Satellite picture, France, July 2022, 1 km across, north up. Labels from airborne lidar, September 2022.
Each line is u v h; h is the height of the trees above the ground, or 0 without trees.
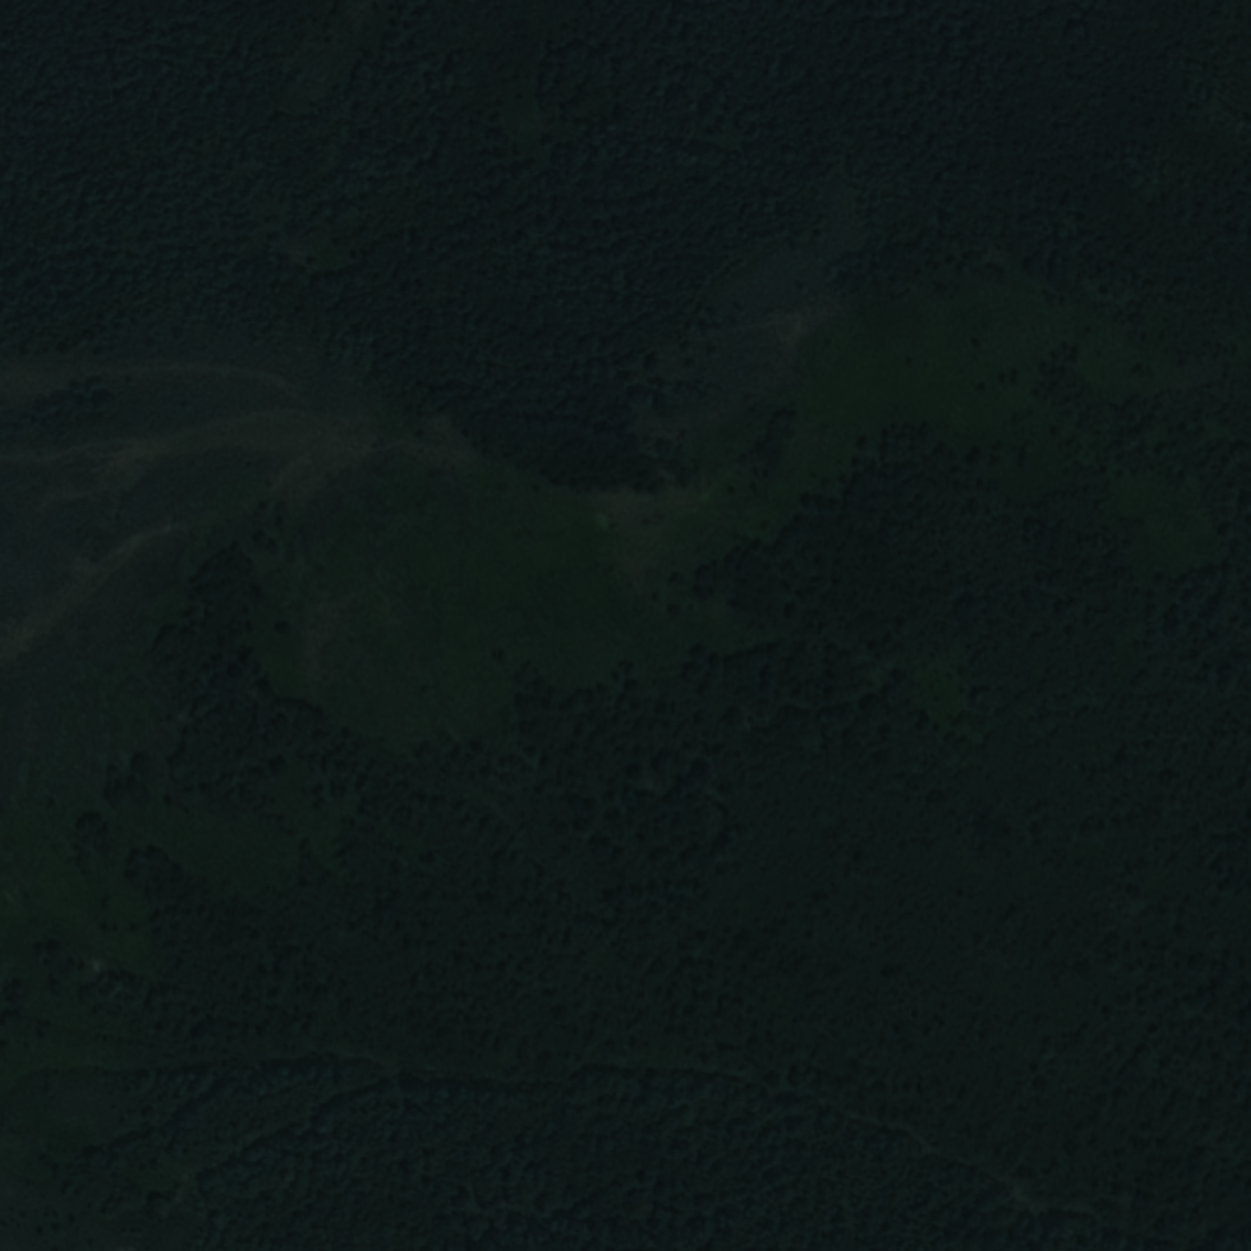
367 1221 18
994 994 6
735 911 11
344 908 9
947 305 0
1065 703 7
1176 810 18
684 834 18
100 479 0
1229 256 20
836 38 16
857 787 8
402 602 0
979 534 13
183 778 18
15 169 15
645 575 0
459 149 20
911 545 11
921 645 8
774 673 18
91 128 16
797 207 11
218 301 7
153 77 16
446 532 0
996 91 19
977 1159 11
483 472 0
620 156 13
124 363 0
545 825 9
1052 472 0
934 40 18
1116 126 20
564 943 16
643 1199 25
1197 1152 13
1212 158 19
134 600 0
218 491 0
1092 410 7
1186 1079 22
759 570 18
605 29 17
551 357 14
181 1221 0
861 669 6
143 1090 10
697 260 18
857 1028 9
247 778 20
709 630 0
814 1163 17
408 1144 24
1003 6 20
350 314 23
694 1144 21
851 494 16
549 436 17
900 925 8
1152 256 18
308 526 0
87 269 15
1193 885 8
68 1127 0
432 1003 11
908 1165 13
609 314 16
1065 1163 10
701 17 18
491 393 15
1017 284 0
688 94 20
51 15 15
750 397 6
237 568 21
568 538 0
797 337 0
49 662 0
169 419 0
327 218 8
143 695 0
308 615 0
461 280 17
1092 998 8
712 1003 23
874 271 9
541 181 18
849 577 13
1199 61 19
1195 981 9
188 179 8
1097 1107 16
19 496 0
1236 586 16
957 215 18
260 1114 22
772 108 15
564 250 22
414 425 0
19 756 0
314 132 13
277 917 6
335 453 0
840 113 17
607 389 16
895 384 0
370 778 13
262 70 12
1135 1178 10
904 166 13
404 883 17
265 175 8
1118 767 15
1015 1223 11
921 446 17
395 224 17
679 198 16
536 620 0
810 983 9
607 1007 16
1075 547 22
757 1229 12
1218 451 7
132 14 18
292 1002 9
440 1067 7
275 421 0
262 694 9
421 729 0
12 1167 0
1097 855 10
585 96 23
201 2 15
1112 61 20
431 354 13
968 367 0
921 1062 12
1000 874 9
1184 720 10
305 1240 18
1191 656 7
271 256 11
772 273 0
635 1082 15
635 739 19
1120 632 8
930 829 13
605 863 23
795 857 7
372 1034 10
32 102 17
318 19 15
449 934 9
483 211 18
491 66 18
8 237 11
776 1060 20
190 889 12
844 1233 21
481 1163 20
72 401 10
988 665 6
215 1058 6
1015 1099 15
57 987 14
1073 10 13
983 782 7
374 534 0
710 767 24
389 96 13
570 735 10
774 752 7
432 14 16
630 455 14
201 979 6
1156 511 0
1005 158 18
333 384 0
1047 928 8
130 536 0
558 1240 25
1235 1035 26
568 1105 16
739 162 15
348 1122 21
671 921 19
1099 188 17
